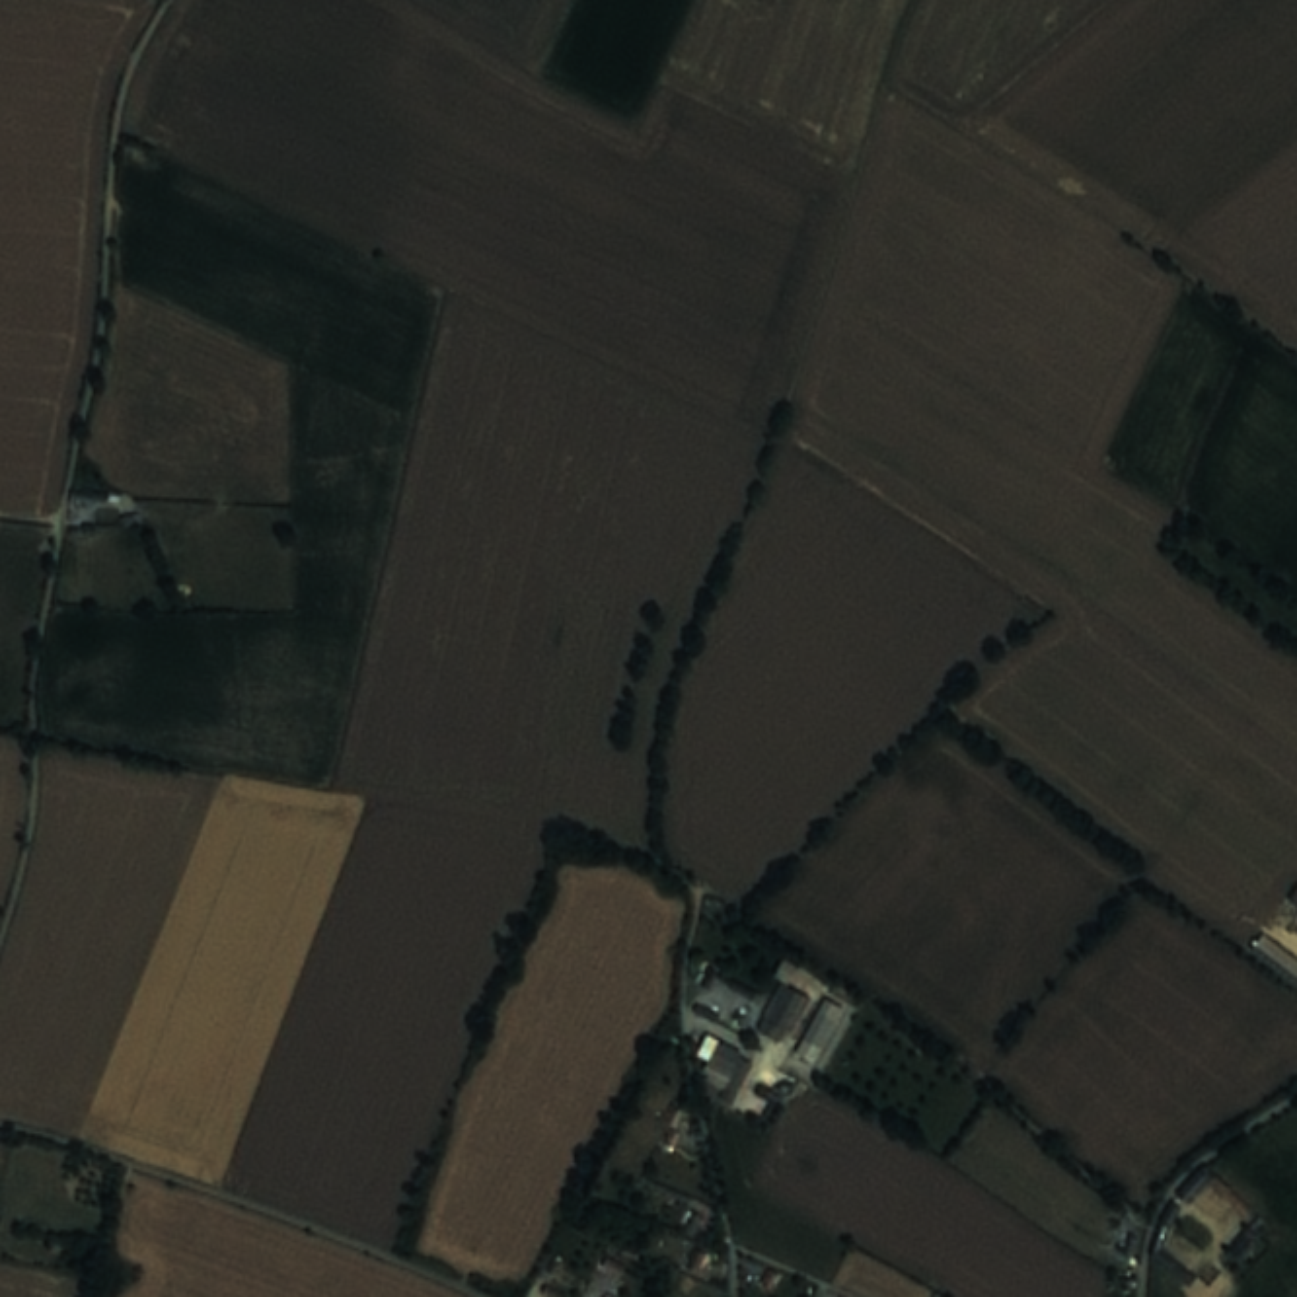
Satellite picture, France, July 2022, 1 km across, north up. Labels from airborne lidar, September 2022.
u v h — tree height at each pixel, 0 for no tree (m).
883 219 0
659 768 11
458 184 0
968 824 0
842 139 0
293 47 0
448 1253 0
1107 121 0
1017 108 0
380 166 0
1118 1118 0
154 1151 0
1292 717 0
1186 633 0
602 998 0
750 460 0
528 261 0
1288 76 0
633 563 0
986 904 0
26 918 0
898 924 0
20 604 0
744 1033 8
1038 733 0
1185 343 0
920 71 0
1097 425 0
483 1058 0
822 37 0
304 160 0
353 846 0
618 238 0
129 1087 0
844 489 0
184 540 0
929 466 0
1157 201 0
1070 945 0
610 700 0
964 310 0
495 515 0
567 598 0
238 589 0
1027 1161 0
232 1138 0
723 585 14
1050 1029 0
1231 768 0
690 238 0
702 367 0
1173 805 0
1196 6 0
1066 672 0
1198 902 0
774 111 0
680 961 7
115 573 0
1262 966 6
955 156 0
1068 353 0
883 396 0
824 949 0
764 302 0
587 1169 15
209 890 0
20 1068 0
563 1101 0
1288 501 0
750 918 15
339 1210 0
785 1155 0
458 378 0
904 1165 0
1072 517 0
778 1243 0
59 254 0
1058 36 0
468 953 0
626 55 0
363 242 0
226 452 0
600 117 0
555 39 0
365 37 0
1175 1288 0
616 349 0
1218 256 0
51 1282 0
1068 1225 0
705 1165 13
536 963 0
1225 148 0
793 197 0
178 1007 0
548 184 0
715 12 0
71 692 0
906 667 0
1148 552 0
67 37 0
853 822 0
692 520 0
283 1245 0
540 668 0
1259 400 0
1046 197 0
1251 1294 0
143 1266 0
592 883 0
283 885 0
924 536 0
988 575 0
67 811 0
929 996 0
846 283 0
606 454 0
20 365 0
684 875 7
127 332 0
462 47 0
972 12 0
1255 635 0
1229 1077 0
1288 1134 0
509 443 0
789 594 0
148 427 0
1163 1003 0
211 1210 0
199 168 0
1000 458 0
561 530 0
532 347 0
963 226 0
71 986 0
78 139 0
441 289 0
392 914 0
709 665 0
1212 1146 13
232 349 0
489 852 0
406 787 0
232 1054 0
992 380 0
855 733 0
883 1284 0
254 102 0
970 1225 0
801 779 0
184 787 0
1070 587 0
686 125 0
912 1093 0
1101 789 0
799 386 0
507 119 0
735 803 0
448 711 0
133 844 0
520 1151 0
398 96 0
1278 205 0
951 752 0
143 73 0
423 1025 0
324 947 0
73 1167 6
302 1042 0
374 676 0
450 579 0
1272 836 0
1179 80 0
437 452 0
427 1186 8
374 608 0
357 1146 0
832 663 0
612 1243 8
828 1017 0
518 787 0
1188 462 0
